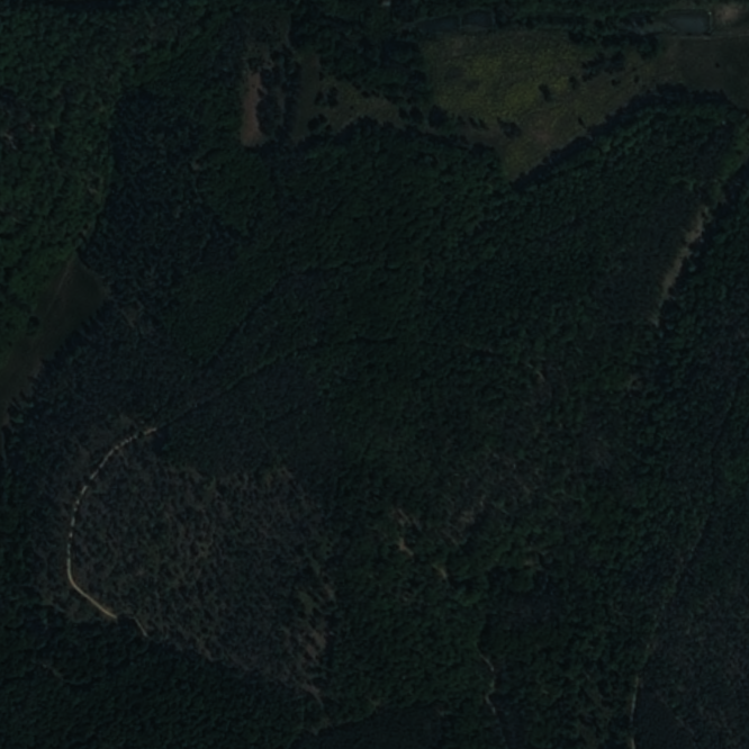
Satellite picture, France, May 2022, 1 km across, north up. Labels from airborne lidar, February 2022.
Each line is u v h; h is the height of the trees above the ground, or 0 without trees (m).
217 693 27
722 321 28
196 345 18
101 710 29
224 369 22
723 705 24
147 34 33
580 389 25
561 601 27
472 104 0
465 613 25
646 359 22
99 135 33
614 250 24
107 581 25
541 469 25
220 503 0
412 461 26
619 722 8
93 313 0
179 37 27
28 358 0
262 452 21
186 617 29
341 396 22
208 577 24
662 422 27
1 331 29
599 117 0
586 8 18
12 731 27
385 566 31
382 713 15
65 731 25
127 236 12
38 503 13
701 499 27
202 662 27
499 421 24
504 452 24
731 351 28
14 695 24
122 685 26
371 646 26
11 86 27
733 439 19
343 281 24
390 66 34
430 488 28
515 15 10
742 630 24
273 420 17
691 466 24
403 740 19
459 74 0
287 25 0
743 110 0
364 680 24
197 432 22
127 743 28
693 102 26
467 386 28
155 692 25
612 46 20
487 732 26
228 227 8
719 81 0
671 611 25
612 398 30
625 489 34
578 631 34
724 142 38
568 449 26
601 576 32
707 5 0
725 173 26
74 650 32
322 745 16
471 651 20
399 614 29
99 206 21
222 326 0
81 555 26
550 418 22
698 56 0
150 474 26
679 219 26
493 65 0
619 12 18
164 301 8
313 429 22
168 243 12
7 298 40
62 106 31
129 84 20
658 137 33
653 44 20
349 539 26
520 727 28
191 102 23
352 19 6
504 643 31
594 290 24
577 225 31
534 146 0
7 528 29
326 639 0
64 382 29
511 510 30
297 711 19
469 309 30
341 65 25
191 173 31
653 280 25
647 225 26
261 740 23
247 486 28
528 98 0
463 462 33
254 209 23
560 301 26
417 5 6
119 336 13
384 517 31
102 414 22
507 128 15
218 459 23
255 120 0
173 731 27
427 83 23
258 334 23
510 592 33
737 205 35
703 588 24
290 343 22
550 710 30
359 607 25
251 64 8
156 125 9
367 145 23
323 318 22
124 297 27
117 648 25
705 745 23
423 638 27
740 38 0
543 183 25
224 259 14
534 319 25
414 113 0
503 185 19
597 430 27
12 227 27
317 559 22
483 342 28
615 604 31
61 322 0
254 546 30
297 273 16
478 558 37
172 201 9
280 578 23
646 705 13
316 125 13
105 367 25
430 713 16
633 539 33
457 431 27
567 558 30
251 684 21
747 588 25
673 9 0
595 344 29
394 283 0
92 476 0
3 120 27
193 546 29
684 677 23
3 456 0
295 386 22
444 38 0
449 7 8
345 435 20
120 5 18
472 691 25
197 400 19
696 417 21
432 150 26
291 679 24
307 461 22
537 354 25
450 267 36
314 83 0
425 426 25
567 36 0
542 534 27
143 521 27
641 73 0
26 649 12
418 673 29
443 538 29
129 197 8
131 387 26
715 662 25
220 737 28
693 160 29
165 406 21
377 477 26
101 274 28
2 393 0
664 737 13
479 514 27
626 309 24
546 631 32
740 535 18
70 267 0
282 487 26
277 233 18
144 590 28
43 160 35
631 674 26
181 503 28
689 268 23
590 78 8
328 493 27
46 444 26
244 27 28
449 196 31
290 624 23
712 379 25
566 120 0
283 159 26
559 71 0
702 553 25
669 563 28
